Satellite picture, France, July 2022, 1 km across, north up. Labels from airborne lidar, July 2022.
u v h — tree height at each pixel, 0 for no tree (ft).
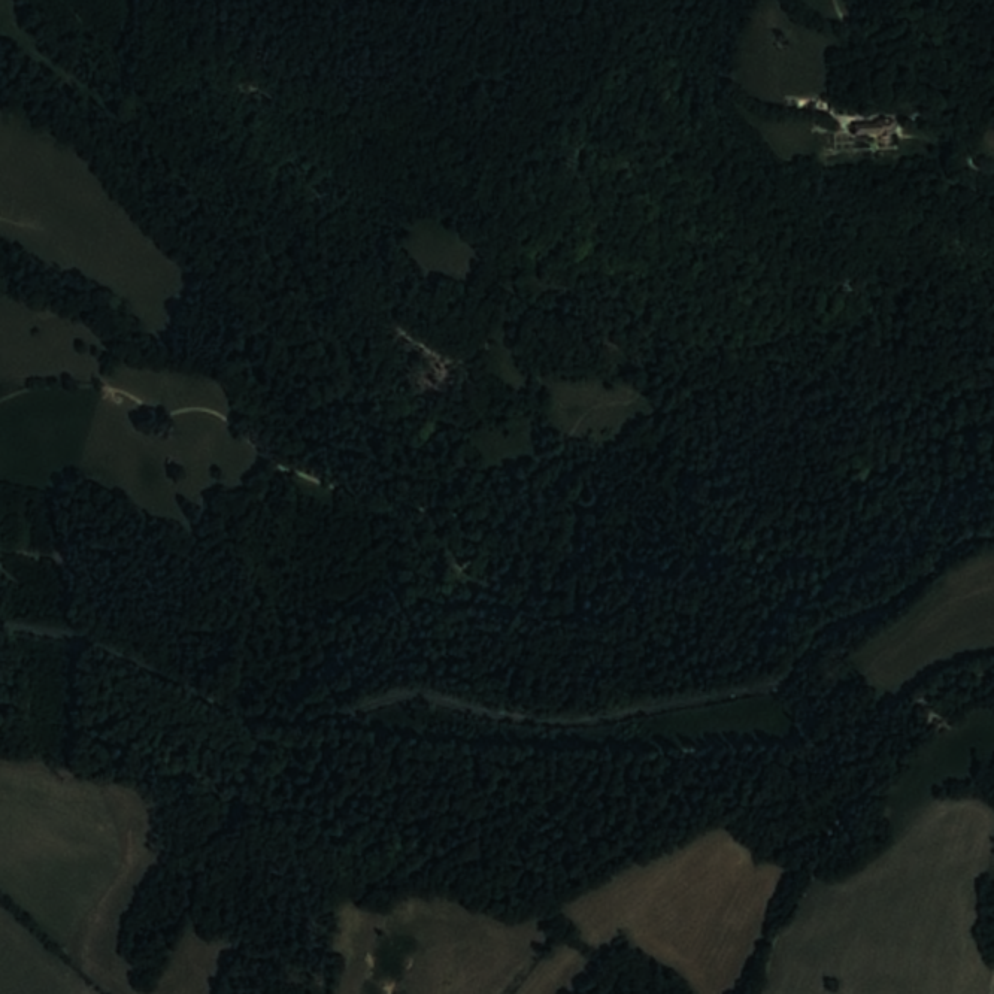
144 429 94
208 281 78
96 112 112
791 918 44
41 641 22
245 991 82
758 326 73
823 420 121
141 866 0
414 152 55
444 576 89
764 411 85
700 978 0
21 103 52
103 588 92
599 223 22
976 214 83
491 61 69
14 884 0
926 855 0
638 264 75
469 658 78
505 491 96
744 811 72
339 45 86
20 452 0
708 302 70
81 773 28
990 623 0
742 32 72
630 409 0
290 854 104
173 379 0
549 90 53
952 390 109
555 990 0
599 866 64
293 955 69
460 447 100
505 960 0
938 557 66
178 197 98
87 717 91
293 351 98
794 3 83
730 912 0
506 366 0
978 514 101
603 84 87
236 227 67
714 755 117
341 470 106
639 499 60
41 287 80
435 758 102
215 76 27
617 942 30
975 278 81
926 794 0
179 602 88
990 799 40
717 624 93
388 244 88
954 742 0
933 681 74
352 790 94
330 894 83
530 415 52
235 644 104
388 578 20
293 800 51
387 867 99
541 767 107
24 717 102
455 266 0
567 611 106
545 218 59
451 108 79
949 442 92
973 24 83
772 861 42
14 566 26
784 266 84
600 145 48
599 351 101
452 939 0
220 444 0
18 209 0
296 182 59
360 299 86
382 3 99
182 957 0
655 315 78
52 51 108
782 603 59
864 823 104
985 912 32
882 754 106
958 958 0
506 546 97
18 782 0
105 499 81
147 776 87
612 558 73
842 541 84
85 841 0
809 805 49
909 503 88
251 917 63
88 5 18
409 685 88
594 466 71
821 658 70
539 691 113
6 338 0
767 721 0
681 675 114
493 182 63
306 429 89
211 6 78
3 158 0
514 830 111
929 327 88
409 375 84
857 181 58
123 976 0
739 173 95
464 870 91
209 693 94
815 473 105
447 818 102
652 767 118
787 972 0
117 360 46
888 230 93
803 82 0
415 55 95
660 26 40
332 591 38
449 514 107
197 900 93
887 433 108
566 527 64
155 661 70
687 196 70
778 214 94
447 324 79
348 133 34
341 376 73
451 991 0
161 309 0
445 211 63
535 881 115
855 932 0
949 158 97
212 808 125
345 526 44
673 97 57
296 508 26
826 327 34
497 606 78
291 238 46
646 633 96
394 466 61
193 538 73
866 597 78
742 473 96
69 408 0
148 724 102
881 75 90
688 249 36
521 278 92
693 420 87
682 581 114
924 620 0
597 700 119
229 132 55
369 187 41
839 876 46
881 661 0
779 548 87
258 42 69
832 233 122
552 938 74
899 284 120
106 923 0
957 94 103
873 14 70
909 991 0
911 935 0
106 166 82
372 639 68
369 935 0
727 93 46
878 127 0
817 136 0
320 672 91
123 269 0
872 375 107
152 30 48
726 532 117
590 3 82
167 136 23
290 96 44
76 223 0
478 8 95
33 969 0
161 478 0
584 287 77
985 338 103
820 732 100
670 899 0
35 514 39
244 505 69
